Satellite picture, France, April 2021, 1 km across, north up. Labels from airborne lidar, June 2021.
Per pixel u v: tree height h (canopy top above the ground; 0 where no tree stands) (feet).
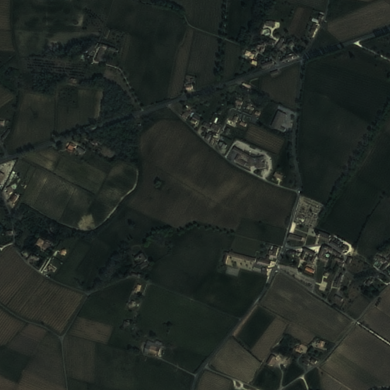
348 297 23
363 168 0
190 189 0
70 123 0
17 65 0
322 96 0
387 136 0
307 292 0
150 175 0
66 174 0
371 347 0
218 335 0
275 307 0
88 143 19
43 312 0
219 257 0
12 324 0
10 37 0
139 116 0
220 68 71
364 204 0
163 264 0
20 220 30
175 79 0
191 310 0
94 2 0
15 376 0
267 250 29
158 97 0
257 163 0
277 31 22
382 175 0
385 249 61
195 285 0
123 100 67
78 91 0
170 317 0
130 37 0
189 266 0
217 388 0
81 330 0
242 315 0
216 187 0
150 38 0
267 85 0
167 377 0
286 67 0
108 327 0
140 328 0
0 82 27
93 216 0
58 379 0
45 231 26
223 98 22
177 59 0
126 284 0
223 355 0
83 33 0
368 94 0
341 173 0
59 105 0
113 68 19
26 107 0
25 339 0
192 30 0
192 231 0
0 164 0
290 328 0
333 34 0
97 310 0
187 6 0
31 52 0
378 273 53
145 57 0
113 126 57
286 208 0
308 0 0
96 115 0
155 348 0
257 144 0
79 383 0
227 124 0
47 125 0
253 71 19
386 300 0
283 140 0
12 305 0
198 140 0
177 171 0
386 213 0
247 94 62
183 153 0
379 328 0
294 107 0
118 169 0
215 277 0
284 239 0
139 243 0
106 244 0
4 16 0
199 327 0
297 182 32
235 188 0
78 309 0
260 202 0
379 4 0
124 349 0
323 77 0
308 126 0
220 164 0
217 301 0
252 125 0
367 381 0
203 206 0
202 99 47
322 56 68
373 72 0
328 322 0
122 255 52
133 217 0
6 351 0
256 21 29
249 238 0
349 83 0
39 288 0
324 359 0
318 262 25
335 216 0
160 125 0
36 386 0
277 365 0
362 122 0
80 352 0
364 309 0
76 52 55
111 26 0
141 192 0
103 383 0
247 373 0
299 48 25
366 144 47
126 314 0
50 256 32
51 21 0
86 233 28
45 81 48
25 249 27
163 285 0
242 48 37
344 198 0
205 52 0
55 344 0
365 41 0
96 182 0
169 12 0
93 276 0
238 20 0
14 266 0
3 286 0
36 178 0
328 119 0
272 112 0
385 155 0
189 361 0
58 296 0
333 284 0
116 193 0
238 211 0
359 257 24
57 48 67
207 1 0
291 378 0
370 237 0
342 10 0
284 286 0
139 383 0
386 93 0
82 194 0
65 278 0
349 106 0
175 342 0
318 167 0
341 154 0
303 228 29
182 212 0
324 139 0
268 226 0
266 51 32
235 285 0
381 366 0
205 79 0
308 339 0
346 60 0
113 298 0
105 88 56
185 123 0
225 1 46
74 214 0
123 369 0
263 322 0
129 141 70
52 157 0
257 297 0
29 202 0
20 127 0
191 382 0
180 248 0
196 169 0
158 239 52
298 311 0
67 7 0
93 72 0
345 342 0
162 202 0
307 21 0
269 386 0
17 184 0
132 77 0
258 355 0
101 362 0
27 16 0
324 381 0
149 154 0
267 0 32
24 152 66
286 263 0
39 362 0
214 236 0
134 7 0
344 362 0
